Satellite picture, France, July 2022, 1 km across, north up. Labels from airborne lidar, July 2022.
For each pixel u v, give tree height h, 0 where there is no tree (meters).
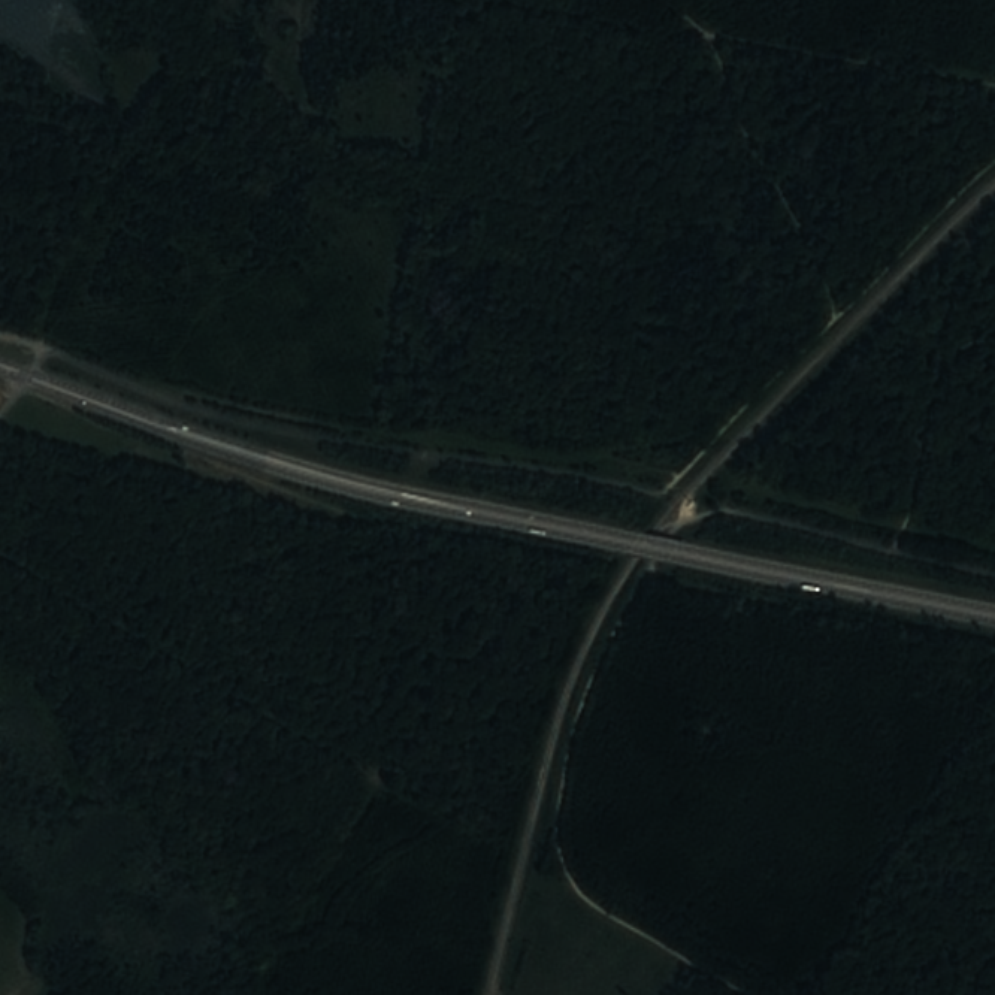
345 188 20
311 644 23
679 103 22
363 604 21
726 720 17
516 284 25
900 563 6
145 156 23
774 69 8
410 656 28
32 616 24
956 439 19
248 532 22
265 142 25
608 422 23
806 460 26
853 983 24
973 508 19
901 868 19
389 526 12
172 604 20
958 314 27
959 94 20
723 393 20
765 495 0
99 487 25
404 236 8
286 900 23
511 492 11
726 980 12
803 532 7
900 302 11
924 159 23
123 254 10
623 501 15
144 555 21
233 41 12
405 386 21
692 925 17
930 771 12
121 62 0
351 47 18
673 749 10
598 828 13
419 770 19
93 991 19
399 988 7
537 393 23
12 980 0
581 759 9
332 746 17
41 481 25
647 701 12
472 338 21
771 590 7
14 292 26
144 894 7
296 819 23
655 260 19
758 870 10
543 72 23
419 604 26
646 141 24
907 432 21
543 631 30
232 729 22
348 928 16
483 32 23
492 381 20
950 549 17
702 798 11
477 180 23
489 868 8
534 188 21
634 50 22
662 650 17
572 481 11
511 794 14
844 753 12
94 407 0
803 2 16
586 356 22
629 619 14
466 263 17
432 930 6
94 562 20
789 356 23
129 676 23
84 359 8
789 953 13
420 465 0
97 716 25
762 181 21
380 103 0
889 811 12
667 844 10
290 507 21
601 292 24
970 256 20
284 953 8
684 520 0
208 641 19
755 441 9
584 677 0
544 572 16
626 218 18
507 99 17
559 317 22
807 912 11
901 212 25
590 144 28
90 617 20
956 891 26
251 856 26
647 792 12
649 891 11
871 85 28
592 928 0
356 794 21
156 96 18
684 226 17
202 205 13
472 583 25
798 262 23
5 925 0
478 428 18
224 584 18
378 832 7
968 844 26
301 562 24
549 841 8
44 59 0
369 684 24
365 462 10
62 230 26
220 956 10
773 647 15
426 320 20
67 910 0
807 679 16
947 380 27
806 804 8
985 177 0
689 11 11
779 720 14
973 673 18
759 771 9
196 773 24
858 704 16
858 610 9
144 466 24
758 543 8
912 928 22
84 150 24
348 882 8
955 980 26
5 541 14
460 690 27
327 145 21
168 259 13
